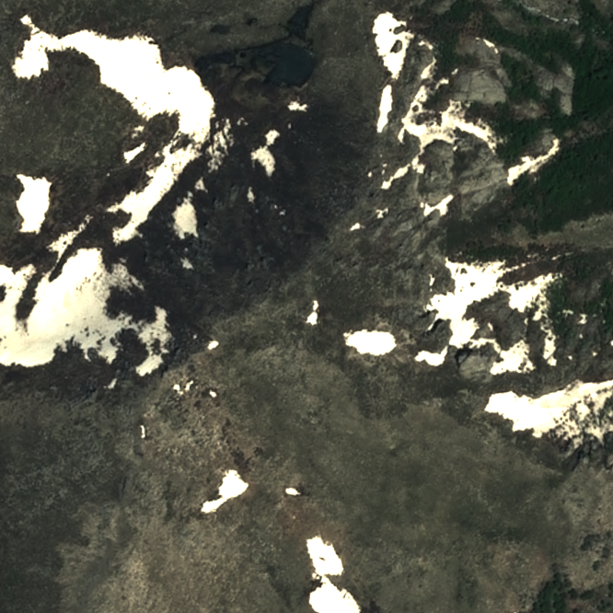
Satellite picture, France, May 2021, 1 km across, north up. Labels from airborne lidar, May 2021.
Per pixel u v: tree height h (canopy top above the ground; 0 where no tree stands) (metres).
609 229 0
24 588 0
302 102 0
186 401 0
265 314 0
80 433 0
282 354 0
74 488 0
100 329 0
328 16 0
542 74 0
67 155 0
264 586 0
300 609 0
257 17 0
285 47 0
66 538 0
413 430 0
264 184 0
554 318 7
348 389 0
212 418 0
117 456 0
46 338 0
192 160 0
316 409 0
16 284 0
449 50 9
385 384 0
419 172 0
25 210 0
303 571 0
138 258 0
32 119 0
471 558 0
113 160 0
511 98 8
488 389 0
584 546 9
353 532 0
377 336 0
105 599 0
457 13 9
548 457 0
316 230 0
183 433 0
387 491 0
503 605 0
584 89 22
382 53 0
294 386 0
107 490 0
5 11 0
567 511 0
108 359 0
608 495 0
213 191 0
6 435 0
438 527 0
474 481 0
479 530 0
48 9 0
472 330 0
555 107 7
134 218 0
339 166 0
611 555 10
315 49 0
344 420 0
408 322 0
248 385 0
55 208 0
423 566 0
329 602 0
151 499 0
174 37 0
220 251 0
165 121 0
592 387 0
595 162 10
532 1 0
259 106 0
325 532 0
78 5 0
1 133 0
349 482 0
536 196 11
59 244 0
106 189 0
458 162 7
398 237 0
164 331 0
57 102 0
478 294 0
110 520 0
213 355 0
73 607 0
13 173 0
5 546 0
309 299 0
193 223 0
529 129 17
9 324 0
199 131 0
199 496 0
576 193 6
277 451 0
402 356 0
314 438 0
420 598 0
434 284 0
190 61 0
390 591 0
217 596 0
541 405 0
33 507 0
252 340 0
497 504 0
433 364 0
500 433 0
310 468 0
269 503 0
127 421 0
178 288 0
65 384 0
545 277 0
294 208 0
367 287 0
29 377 0
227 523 0
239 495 0
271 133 0
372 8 0
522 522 0
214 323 0
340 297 0
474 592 0
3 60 0
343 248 0
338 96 0
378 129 0
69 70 0
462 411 0
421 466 0
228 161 0
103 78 0
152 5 0
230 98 0
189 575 0
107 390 0
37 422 0
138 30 0
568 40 10
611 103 9
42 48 0
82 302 0
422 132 0
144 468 0
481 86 0
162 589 0
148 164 0
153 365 0
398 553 0
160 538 0
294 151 0
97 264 0
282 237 0
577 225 0
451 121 0
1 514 0
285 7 0
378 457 0
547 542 0
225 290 0
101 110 0
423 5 9
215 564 0
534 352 0
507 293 0
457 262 0
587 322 0
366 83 0
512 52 0
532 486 0
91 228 0
